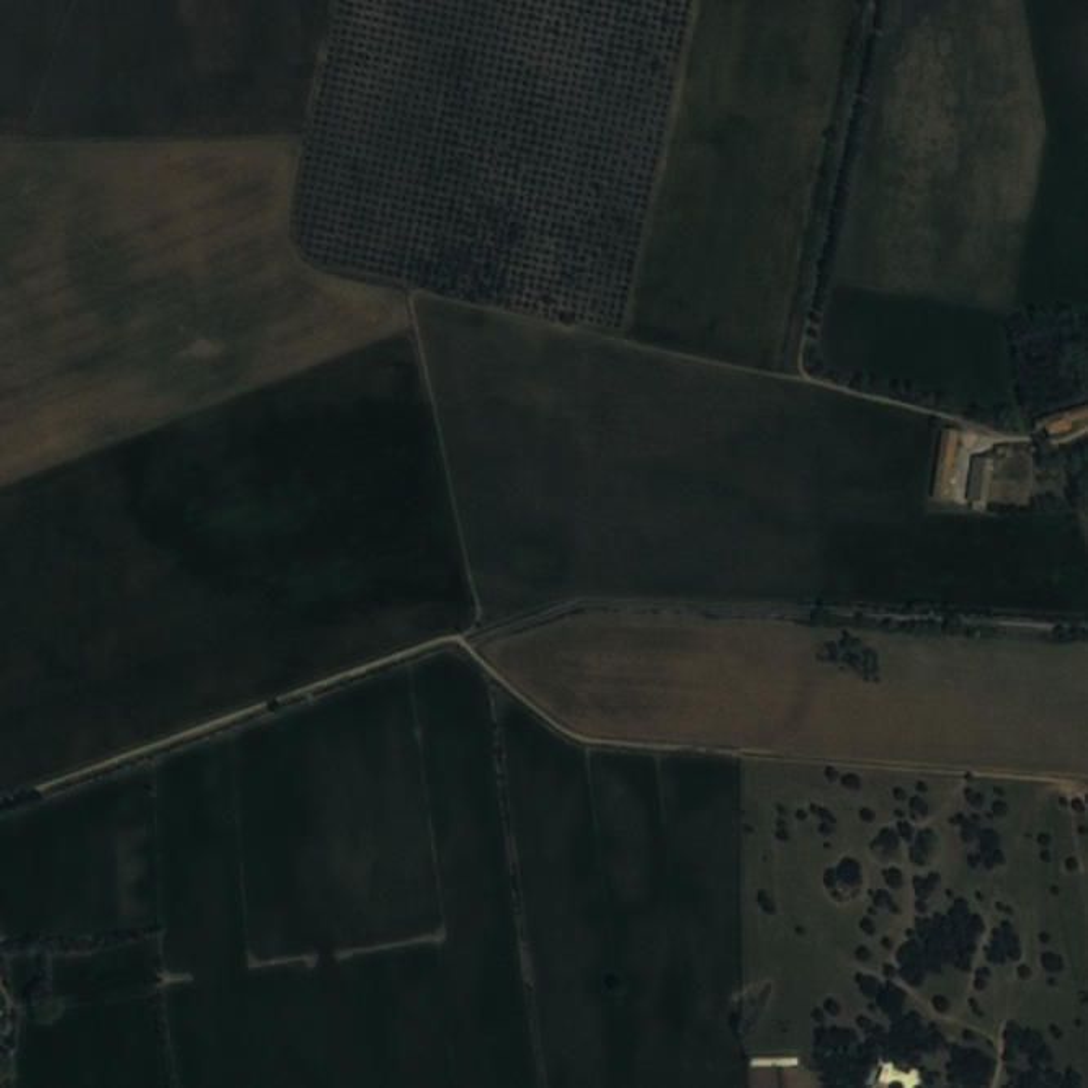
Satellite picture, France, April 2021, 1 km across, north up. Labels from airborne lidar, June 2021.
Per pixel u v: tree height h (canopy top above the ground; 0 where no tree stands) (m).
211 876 0
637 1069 0
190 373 0
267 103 0
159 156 0
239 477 0
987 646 0
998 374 0
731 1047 0
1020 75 0
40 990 17
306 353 0
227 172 0
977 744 0
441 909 0
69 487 0
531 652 0
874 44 11
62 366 0
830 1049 7
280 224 0
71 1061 0
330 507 0
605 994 0
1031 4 0
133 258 0
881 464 0
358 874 0
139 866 0
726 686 0
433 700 0
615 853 0
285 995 0
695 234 0
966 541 0
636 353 0
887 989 6
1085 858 0
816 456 0
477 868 0
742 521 0
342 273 0
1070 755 0
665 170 0
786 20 0
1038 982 0
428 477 0
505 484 0
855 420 0
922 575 0
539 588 0
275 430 0
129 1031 0
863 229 0
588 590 0
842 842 0
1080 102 0
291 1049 0
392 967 0
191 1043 0
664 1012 0
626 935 0
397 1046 0
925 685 0
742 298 0
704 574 0
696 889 0
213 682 0
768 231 0
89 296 0
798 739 0
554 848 0
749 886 0
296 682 0
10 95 0
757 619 0
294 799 0
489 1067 0
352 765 0
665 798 0
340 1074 0
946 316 0
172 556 0
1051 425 0
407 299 0
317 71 0
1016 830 0
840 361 0
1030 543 0
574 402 0
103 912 0
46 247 0
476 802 0
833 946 0
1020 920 0
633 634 0
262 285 0
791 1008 0
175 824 0
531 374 0
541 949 0
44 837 0
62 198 0
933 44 0
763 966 0
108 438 0
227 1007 0
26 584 0
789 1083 0
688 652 0
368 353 0
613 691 0
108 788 0
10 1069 25
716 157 0
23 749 0
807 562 0
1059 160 0
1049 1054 7
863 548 0
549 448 0
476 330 0
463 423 0
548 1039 0
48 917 0
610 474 0
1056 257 0
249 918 0
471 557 0
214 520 0
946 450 0
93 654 0
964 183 0
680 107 0
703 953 0
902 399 8
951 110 0
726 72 0
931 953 7
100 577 0
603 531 0
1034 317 12
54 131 0
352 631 0
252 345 0
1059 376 21
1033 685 0
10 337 0
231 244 0
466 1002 0
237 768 0
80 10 0
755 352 0
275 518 0
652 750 0
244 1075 0
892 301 0
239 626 0
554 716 0
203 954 0
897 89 0
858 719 0
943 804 0
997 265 0
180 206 0
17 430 0
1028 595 0
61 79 0
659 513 0
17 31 0
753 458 0
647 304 0
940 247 0
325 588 0
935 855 10
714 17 0
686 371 0
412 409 0
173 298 0
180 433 0
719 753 0
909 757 0
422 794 0
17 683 0
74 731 0
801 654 0
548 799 0
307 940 0
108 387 0
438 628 0
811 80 0
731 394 0
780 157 0
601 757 0
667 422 0
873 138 0
